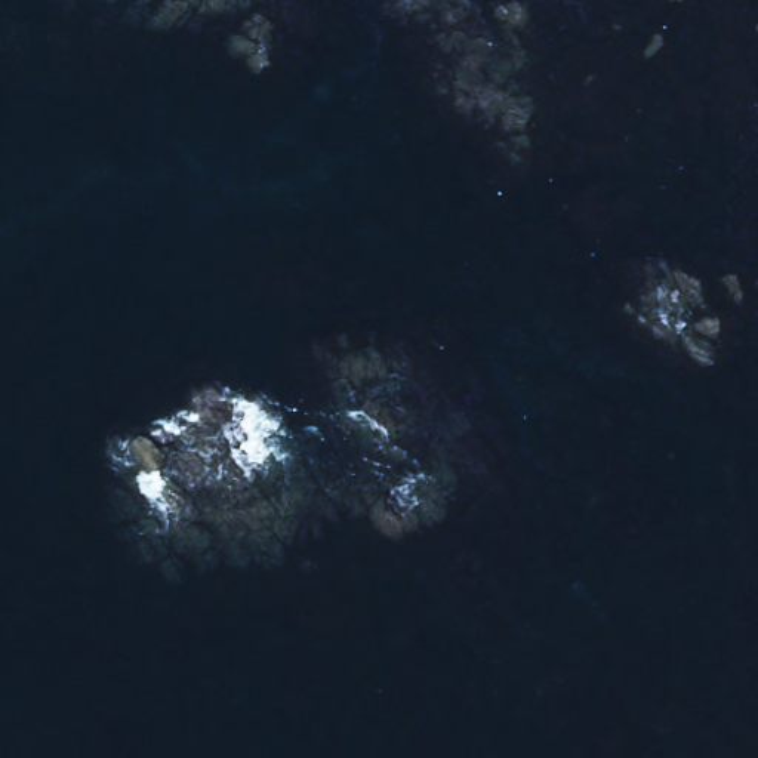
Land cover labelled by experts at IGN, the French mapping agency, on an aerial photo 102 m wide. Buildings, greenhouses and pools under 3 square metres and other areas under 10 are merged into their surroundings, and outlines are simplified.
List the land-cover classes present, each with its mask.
<instances>
[{"label":"water","instance_id":"1","mask_svg":"<svg viewBox=\"0 0 758 758\"><path fill-rule=\"evenodd\" d=\"M240 397L258 403L269 417L278 420L272 435L275 444L287 450L284 462H272L266 456L252 477H246L243 468L234 462L231 444L225 438V423H231V412ZM175 412H198V423L192 429H184L181 435L157 438L154 423L169 420ZM151 471L163 477L169 512H157L151 500L139 492V474ZM0 758H758V0H0Z\"/></svg>","mask_w":758,"mask_h":758},{"label":"bare soil","instance_id":"2","mask_svg":"<svg viewBox=\"0 0 758 758\"><path fill-rule=\"evenodd\" d=\"M278 420L269 417L258 403L240 397L231 412V423H225V438L231 444L234 462L243 468L246 477H252L266 456L272 462H284L287 450L275 444L272 435ZM198 423V412H175L169 420L154 423L157 438L181 435L184 429H192ZM139 492L151 500L157 512H169L163 477L151 471L139 474Z\"/></svg>","mask_w":758,"mask_h":758}]
</instances>
